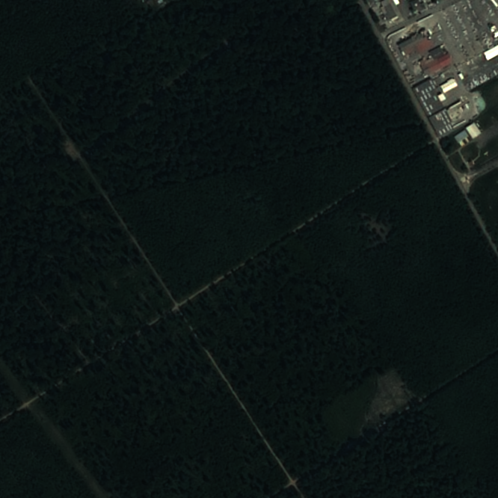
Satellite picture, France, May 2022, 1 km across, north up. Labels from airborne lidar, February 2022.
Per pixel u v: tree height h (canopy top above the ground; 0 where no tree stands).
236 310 31
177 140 31
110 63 35
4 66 23
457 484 31
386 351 15
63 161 32
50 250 33
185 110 32
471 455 18
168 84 0
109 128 27
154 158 31
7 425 12
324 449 27
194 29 31
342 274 0
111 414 29
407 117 24
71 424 26
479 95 0
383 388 0
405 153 17
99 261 34
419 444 31
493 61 0
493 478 15
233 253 0
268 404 26
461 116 0
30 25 21
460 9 0
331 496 30
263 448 22
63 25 22
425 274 0
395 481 31
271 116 26
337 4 20
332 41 30
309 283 25
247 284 24
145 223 21
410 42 0
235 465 6
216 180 0
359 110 32
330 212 12
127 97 31
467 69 0
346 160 0
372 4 0
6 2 20
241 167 19
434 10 0
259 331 25
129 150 31
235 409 9
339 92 33
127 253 31
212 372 32
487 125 0
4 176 28
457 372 14
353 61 32
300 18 30
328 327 29
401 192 0
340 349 29
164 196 19
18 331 31
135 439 25
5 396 26
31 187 29
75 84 34
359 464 31
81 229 32
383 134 0
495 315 18
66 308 6
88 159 32
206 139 31
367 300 0
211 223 20
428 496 29
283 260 25
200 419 7
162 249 0
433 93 0
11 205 29
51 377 30
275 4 34
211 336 31
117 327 29
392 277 0
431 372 16
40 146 29
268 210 22
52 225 31
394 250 0
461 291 0
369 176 15
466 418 0
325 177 0
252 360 6
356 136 27
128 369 29
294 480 0
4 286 33
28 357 31
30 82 0
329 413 0
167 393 28
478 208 9
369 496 29
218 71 31
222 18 30
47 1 17
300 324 27
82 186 30
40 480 14
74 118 30
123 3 16
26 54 22
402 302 0
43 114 28
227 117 29
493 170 0
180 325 30
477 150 0
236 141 30
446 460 27
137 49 32
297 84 27
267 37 29
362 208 13
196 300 0
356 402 0
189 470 28
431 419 27
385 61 26
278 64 29
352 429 0
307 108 30
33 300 29
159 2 0
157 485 27
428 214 0
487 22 0
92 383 6
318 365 31
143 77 31
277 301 28
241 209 22
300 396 27
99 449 28
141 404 27
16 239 30
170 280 0
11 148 28
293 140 30
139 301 29
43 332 34
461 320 0
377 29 0
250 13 32
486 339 0
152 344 32
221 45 0
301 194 0
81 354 0
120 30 27
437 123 0
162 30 26
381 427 0
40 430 12
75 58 30
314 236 0
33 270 31
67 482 14
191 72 26
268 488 26
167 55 30
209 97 30
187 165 29
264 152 27
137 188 22
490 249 12
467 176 0
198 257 17
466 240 17
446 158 0
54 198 29
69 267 31
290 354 26
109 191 27
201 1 24
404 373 13
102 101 29
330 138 27
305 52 33
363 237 12
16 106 27
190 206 20
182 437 9
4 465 15
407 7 0
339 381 9
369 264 0
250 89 26
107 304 32
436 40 0
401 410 0
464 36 0
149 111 31
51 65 24
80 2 20
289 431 7
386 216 11
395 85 24
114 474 28
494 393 0
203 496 6
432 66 0
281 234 16
